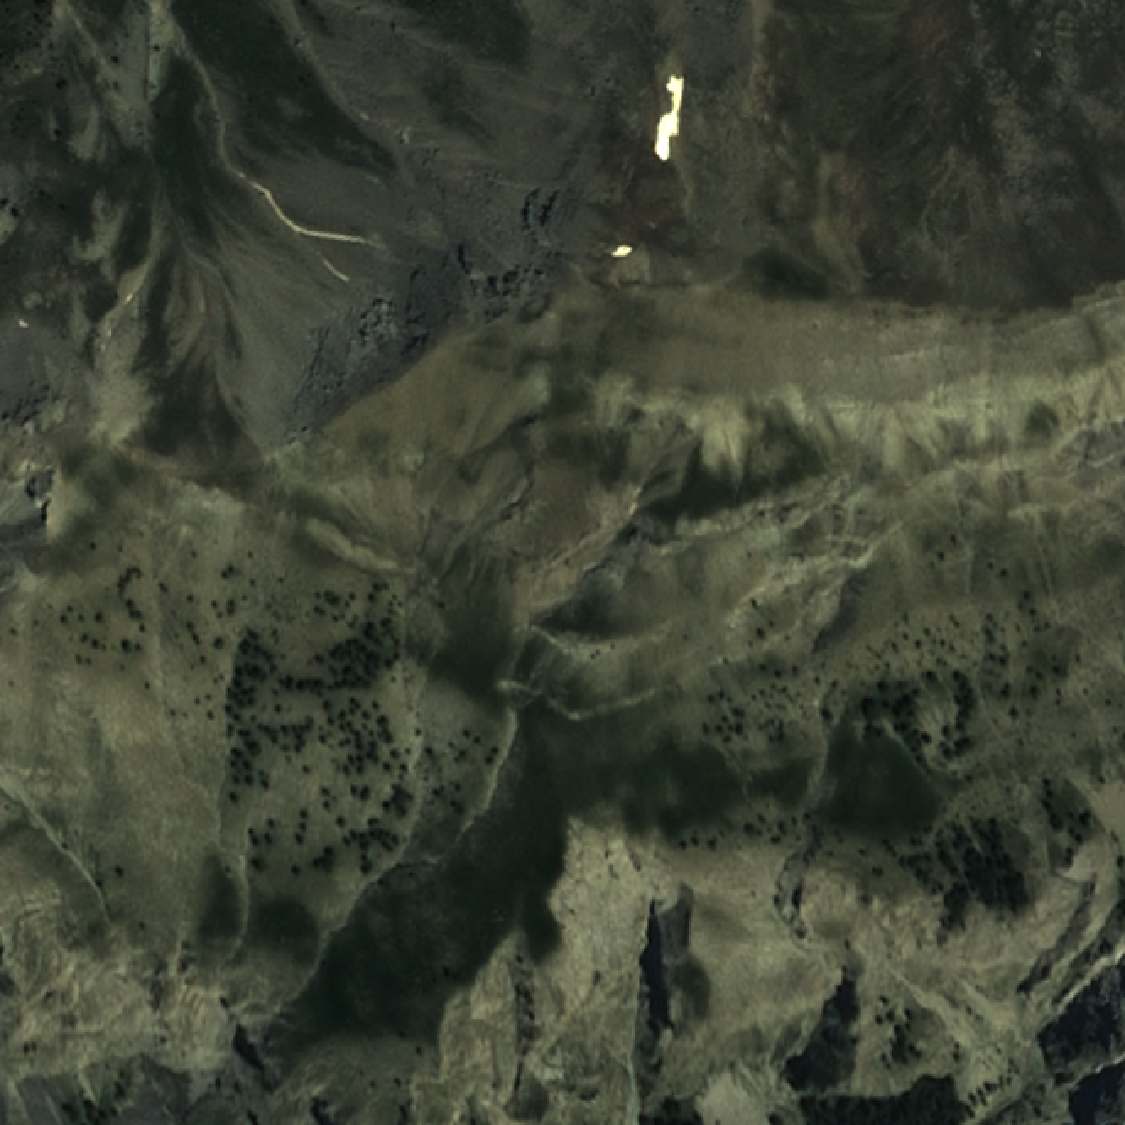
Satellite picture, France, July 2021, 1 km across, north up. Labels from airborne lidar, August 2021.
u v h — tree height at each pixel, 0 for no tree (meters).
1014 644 0
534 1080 0
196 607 0
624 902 0
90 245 0
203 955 0
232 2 0
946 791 0
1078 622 0
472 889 0
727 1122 0
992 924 0
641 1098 0
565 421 0
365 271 0
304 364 0
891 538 0
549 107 0
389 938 0
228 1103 0
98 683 0
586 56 0
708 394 0
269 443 0
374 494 0
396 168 0
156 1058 0
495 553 0
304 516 0
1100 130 0
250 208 0
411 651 0
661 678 0
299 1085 0
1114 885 0
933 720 0
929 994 0
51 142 0
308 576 0
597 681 0
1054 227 0
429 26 0
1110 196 0
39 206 0
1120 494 0
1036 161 0
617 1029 0
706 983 0
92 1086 0
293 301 0
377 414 0
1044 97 0
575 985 0
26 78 0
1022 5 0
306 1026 0
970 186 0
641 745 0
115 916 0
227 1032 0
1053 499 0
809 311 0
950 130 0
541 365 0
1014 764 0
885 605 0
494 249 0
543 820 0
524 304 0
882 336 0
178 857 0
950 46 0
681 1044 0
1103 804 0
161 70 0
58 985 0
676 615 0
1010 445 0
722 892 0
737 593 0
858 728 0
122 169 0
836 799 0
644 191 0
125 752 0
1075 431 0
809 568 0
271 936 0
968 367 0
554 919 0
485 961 0
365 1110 0
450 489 0
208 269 0
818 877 0
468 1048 0
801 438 0
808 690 0
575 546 0
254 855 0
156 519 0
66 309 0
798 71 0
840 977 0
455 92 0
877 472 0
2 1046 0
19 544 0
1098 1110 0
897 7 0
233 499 0
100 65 0
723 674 0
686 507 0
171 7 0
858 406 0
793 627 0
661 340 0
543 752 0
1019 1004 0
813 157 0
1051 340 0
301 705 0
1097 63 0
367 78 0
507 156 0
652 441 0
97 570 0
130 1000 0
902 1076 0
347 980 0
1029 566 0
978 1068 0
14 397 0
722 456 0
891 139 0
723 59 0
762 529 0
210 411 0
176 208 0
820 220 0
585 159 0
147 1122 0
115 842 0
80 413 0
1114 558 0
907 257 0
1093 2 0
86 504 0
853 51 0
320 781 0
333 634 0
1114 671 0
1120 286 0
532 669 0
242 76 0
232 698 8
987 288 0
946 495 0
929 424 0
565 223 0
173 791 0
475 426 0
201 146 0
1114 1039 0
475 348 0
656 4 0
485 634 0
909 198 0
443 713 0
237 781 8
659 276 0
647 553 0
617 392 0
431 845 0
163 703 0
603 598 0
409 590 0
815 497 0
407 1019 0
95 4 0
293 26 0
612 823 0
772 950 0
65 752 0
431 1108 0
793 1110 0
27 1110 0
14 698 0
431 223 0
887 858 0
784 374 0
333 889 0
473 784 0
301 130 0
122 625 0
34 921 0
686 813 0
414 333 0
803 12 0
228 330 0
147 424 0
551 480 0
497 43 0
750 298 0
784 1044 0
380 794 0
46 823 0
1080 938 0
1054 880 0
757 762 0
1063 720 0
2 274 0
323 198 0
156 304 0
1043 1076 0
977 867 15
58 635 0
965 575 0
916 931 0
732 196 0
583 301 0
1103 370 0
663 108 0
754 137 0
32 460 0
